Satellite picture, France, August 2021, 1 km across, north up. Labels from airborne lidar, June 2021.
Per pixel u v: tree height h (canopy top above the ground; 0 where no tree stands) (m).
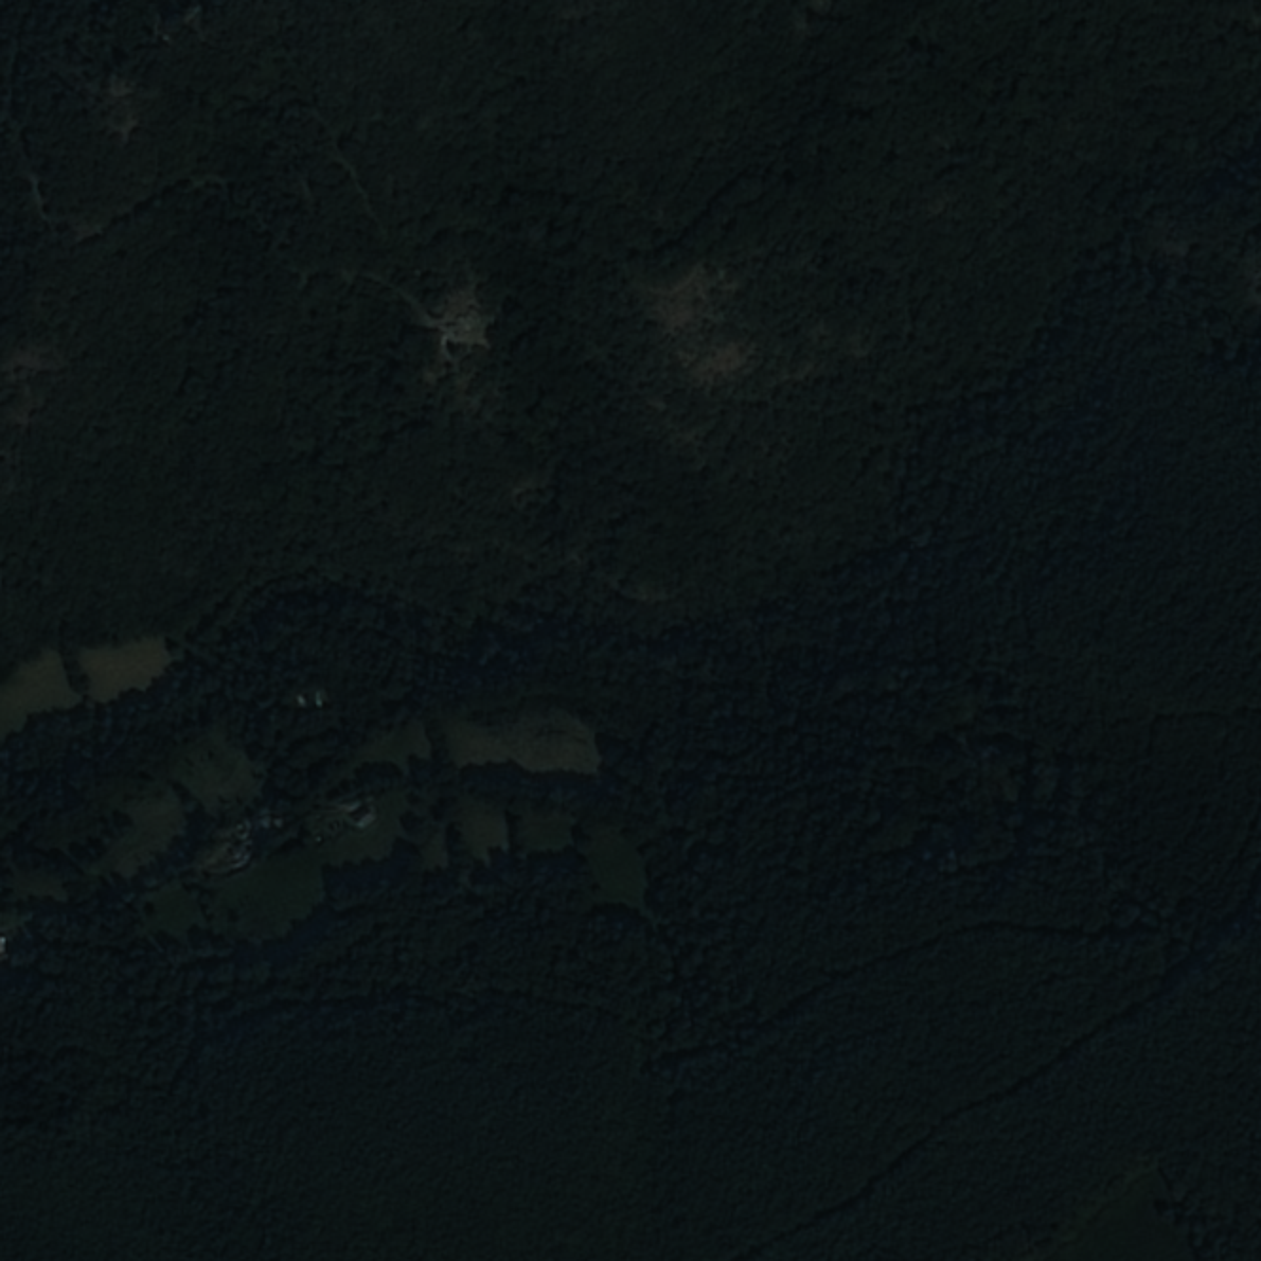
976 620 20
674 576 16
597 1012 17
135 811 0
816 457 20
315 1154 18
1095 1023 25
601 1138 17
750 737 23
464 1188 20
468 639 8
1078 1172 24
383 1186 21
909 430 24
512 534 17
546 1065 19
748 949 22
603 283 11
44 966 21
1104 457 16
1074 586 23
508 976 19
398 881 21
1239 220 23
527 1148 18
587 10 9
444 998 14
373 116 17
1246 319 30
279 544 23
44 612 22
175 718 16
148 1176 22
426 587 24
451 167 21
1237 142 23
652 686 20
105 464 20
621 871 0
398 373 24
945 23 27
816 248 20
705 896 25
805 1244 20
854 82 17
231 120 14
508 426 7
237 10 10
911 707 24
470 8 14
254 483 22
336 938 23
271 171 15
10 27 19
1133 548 22
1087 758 22
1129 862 25
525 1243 22
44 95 21
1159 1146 22
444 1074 15
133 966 26
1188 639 20
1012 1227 22
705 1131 19
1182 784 19
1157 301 23
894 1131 24
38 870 21
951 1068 24
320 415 23
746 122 8
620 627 21
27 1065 20
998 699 19
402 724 7
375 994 15
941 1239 24
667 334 7
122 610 24
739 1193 19
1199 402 23
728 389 11
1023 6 23
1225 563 21
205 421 19
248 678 14
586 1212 23
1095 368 14
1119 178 22
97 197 11
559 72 18
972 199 13
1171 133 19
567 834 0
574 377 22
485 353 8
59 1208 18
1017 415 23
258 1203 24
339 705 12
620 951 27
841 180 25
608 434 19
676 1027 27
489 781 17
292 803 14
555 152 23
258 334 12
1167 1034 25
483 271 14
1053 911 27
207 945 15
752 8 22
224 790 0
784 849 24
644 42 13
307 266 17
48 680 0
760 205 19
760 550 23
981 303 22
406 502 23
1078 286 20
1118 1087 25
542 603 20
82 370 14
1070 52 26
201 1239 20
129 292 14
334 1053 18
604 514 19
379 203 14
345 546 21
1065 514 18
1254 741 16
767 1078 24
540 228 21
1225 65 24
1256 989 27
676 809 30
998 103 18
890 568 27
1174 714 10
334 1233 20
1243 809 17
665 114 11
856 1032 20
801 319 13
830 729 20
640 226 9
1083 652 19
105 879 0
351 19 13
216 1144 20
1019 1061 27
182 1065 16
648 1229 22
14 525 25
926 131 22
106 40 20
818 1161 24
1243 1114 29
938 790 13
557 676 23
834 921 20
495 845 0
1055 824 24
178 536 16
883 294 19
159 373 23
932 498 23
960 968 23
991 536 19
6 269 20
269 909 0
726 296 12
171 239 18
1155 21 26
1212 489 19
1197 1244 14
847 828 21
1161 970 24
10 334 14
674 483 17
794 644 10
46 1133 24
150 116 13
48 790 29
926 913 26
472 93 20
